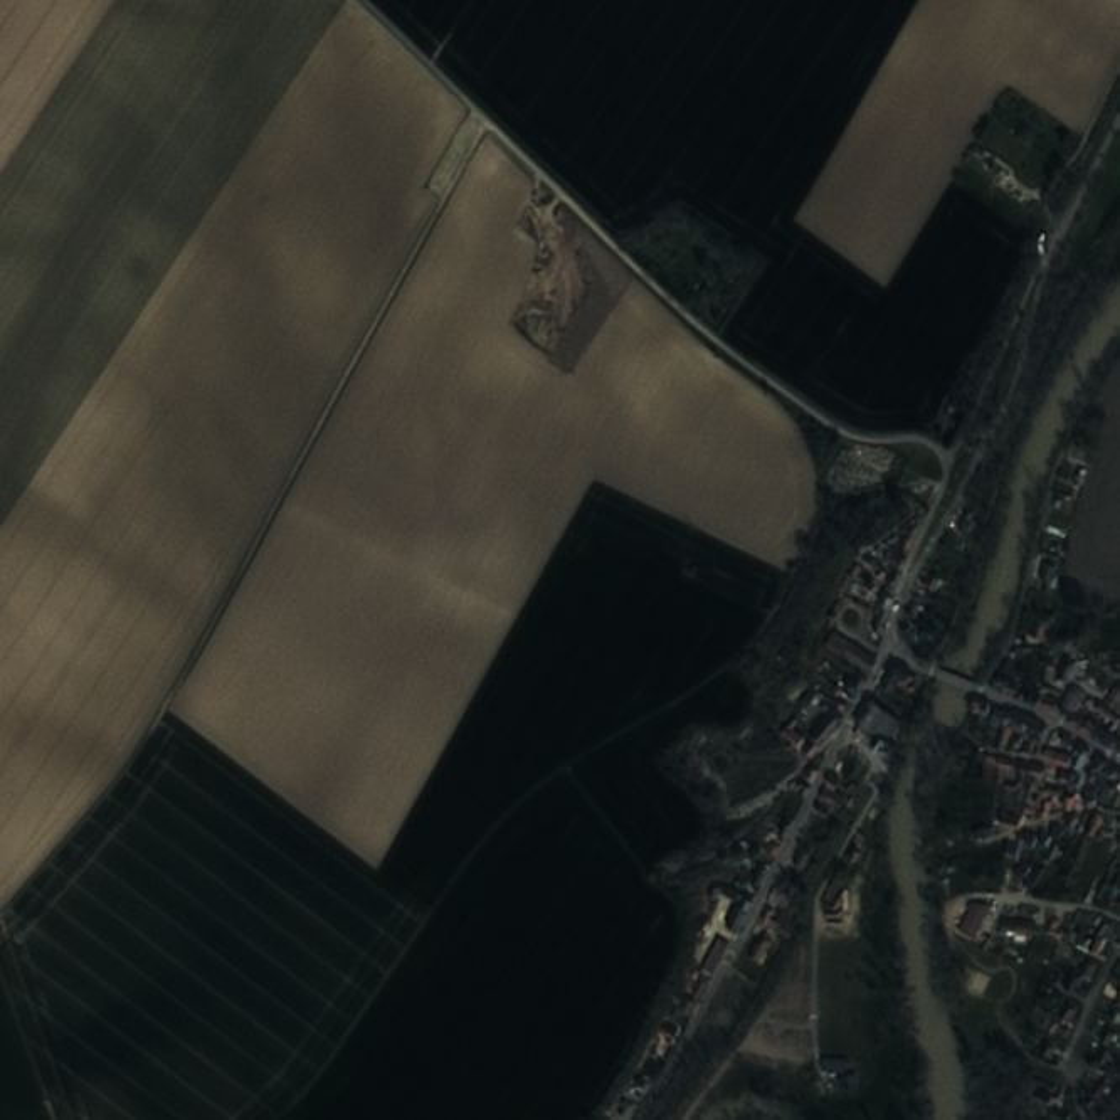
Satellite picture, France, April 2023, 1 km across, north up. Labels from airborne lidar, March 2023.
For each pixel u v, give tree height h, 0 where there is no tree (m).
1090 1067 9
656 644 0
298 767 0
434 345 0
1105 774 0
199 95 0
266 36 0
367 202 0
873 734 0
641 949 0
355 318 0
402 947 0
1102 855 0
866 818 0
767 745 8
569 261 0
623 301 0
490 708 0
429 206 0
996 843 0
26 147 0
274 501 0
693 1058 18
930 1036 0
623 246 18
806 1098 0
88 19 0
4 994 0
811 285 0
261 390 0
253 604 0
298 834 0
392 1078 0
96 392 0
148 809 0
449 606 0
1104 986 0
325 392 0
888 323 0
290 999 0
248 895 0
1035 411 15
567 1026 0
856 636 0
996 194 0
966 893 0
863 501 7
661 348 0
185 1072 0
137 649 0
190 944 0
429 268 0
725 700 0
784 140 0
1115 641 0
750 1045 0
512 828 0
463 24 0
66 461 0
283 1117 0
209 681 0
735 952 0
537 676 0
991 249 0
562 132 0
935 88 0
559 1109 0
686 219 9
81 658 0
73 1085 0
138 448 0
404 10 0
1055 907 0
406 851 0
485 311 0
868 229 0
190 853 0
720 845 9
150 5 0
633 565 0
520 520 0
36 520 0
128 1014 0
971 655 0
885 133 0
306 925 0
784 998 0
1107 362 8
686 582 0
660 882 6
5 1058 0
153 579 0
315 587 0
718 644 0
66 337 0
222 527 0
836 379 0
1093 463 0
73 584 0
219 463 0
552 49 0
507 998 0
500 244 0
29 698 0
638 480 0
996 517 10
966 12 0
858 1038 0
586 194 0
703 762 12
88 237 0
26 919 0
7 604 0
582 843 0
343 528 0
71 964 0
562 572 0
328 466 0
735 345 0
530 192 0
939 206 0
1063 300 19
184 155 0
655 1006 10
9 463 0
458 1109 0
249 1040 0
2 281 0
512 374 0
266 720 0
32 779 0
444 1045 0
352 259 0
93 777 0
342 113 0
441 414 0
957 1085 0
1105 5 0
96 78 0
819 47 0
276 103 0
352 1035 0
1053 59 0
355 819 0
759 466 0
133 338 0
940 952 15
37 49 0
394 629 0
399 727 0
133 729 0
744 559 0
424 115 0
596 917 0
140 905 0
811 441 7
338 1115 0
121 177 0
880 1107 0
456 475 0
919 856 6
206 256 0
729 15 0
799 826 0
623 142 0
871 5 0
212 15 0
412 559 0
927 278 0
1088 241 0
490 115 0
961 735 9
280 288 0
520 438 0
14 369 0
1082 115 0
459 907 0
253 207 0
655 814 0
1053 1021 0
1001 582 0
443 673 0
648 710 0
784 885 10
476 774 0
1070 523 0
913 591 0
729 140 0
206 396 0
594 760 0
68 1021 0
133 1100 0
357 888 0
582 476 0
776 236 0
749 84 0
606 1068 0
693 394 0
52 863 0
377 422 0
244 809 0
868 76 0
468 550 0
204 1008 0
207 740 0
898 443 0
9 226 0
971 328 0
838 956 0
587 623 0
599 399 0
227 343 0
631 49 0
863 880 0
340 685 0
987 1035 0
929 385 0
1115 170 0
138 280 0
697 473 0
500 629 0
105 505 0
